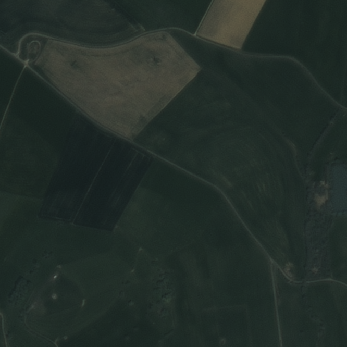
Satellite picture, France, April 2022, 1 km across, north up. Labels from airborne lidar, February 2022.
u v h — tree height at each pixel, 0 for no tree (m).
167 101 0
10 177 0
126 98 0
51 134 0
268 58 0
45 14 0
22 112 0
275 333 0
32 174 0
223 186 0
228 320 0
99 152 0
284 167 0
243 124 0
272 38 0
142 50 0
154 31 0
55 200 0
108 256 0
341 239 0
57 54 0
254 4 0
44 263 0
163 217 0
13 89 0
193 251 0
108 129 0
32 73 0
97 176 0
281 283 0
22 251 0
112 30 0
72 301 0
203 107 0
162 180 0
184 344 0
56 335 0
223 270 0
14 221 0
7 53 0
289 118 0
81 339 0
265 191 0
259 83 0
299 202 0
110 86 0
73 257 0
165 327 0
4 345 0
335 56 0
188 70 0
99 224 0
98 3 0
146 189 0
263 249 0
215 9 0
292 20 0
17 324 0
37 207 0
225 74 0
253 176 0
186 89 0
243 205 0
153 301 6
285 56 0
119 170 0
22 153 0
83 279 0
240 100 0
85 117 0
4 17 0
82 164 0
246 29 0
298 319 0
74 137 0
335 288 0
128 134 0
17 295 17
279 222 0
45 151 0
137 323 0
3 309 0
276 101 0
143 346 0
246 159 0
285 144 0
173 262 0
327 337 0
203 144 0
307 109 0
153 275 0
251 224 0
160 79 0
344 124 0
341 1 0
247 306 0
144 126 0
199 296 0
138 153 0
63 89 0
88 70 0
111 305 0
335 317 0
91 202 0
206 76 0
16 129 0
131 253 0
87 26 0
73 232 0
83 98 0
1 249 0
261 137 0
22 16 0
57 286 0
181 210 0
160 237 0
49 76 0
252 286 0
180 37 0
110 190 0
